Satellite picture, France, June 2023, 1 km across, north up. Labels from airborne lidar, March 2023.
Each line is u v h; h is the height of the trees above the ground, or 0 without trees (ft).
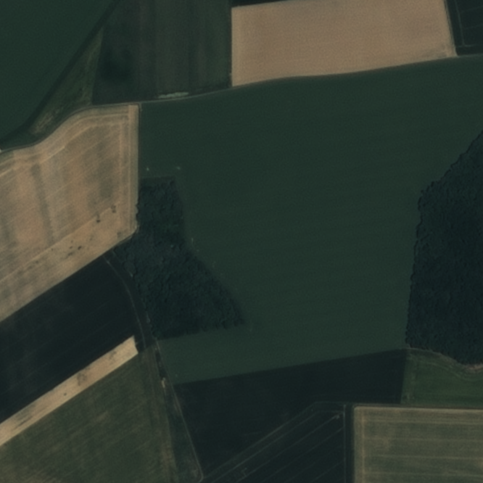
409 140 0
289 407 0
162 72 0
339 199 0
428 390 0
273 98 0
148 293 44
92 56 0
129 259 53
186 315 64
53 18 0
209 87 0
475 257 70
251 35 0
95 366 0
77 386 0
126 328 0
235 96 0
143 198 35
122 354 0
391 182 0
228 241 0
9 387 0
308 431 0
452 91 0
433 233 64
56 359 0
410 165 0
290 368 0
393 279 0
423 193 49
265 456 0
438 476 0
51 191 0
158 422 0
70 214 0
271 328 0
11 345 0
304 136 0
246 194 0
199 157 0
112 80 0
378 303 0
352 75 0
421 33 0
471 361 59
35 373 0
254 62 0
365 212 0
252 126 0
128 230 0
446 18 0
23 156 0
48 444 0
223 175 0
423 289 70
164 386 0
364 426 0
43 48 0
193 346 0
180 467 0
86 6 0
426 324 69
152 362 0
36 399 0
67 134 0
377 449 0
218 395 0
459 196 76
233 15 0
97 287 0
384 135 0
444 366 0
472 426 0
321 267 0
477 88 0
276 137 0
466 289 71
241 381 0
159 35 0
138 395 0
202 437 0
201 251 0
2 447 0
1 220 0
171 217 46
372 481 0
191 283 57
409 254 0
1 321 0
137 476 0
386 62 0
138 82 0
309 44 0
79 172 0
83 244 0
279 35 0
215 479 0
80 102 0
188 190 0
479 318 70
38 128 0
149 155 0
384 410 0
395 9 0
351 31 0
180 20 0
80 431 0
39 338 0
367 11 0
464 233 74
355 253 0
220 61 0
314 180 0
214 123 0
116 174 0
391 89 0
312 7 0
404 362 0
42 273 0
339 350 0
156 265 75
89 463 0
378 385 0
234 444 0
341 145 0
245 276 0
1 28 0
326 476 0
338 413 0
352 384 0
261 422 0
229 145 0
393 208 0
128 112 0
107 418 0
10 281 0
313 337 0
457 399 0
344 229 0
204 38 0
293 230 0
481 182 70
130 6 0
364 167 0
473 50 0
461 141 0
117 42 0
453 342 65
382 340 0
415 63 0
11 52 0
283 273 0
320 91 0
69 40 0
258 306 0
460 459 0
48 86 0
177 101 0
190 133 0
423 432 0
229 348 0
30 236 0
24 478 0
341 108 0
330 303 0
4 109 0
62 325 0
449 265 68
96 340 0
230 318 60
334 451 0
